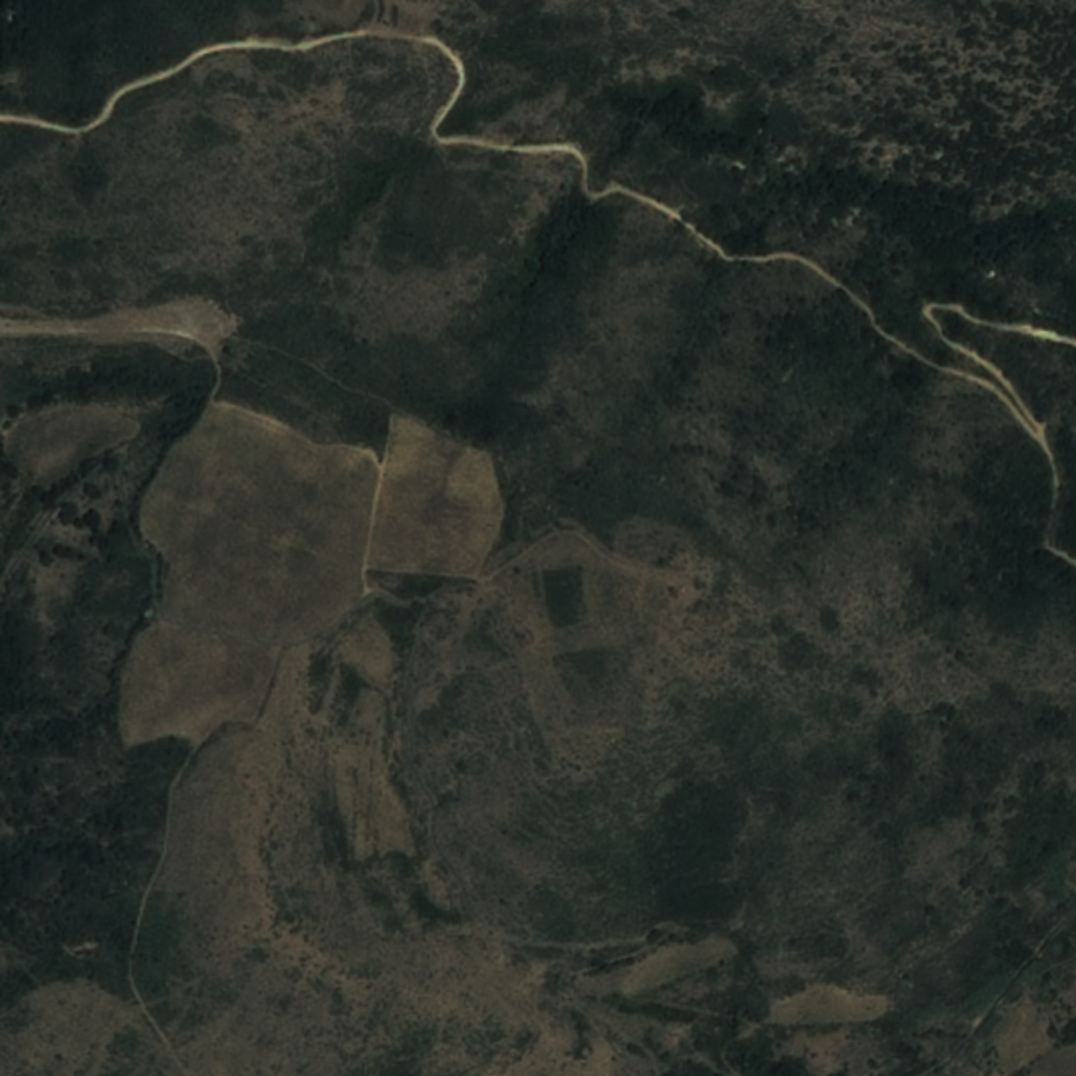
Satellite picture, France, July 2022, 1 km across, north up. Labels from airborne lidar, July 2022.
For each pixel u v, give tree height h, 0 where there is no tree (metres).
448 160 0
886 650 0
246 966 0
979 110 9
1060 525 8
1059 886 9
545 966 0
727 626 0
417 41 0
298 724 0
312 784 0
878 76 8
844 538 0
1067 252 8
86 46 7
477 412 6
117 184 0
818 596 0
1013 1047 0
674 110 13
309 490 0
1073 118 8
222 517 0
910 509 0
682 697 0
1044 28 6
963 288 8
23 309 0
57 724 7
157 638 0
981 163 9
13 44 9
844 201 19
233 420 0
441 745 0
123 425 0
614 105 5
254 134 0
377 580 0
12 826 8
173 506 0
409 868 0
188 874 0
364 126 0
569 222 12
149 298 0
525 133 0
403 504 0
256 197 0
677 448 6
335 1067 0
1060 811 9
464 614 0
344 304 0
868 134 6
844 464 10
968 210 11
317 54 0
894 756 6
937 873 0
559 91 0
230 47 0
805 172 8
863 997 0
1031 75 8
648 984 0
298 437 0
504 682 0
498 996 0
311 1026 0
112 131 0
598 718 0
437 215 0
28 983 6
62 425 0
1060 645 0
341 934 0
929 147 9
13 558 0
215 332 0
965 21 7
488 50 6
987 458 6
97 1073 0
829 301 8
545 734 0
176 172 0
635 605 0
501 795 0
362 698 0
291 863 0
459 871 0
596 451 0
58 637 7
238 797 0
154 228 0
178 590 0
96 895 7
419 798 0
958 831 0
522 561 0
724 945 0
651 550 0
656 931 6
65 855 6
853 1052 0
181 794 0
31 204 0
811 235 7
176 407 6
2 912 7
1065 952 6
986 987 5
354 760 0
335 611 0
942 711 9
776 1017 0
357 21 0
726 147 6
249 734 0
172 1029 0
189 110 0
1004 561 9
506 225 0
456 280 0
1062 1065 0
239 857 0
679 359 9
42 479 0
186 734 0
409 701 0
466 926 0
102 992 0
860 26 0
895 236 6
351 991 0
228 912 0
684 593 0
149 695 0
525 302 6
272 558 0
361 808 0
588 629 0
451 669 0
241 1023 0
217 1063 0
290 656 0
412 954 0
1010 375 8
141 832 0
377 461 0
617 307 0
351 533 0
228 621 0
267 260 0
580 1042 0
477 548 0
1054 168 8
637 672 0
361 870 0
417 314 0
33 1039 0
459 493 0
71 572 0
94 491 10
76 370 8
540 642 0
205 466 0
